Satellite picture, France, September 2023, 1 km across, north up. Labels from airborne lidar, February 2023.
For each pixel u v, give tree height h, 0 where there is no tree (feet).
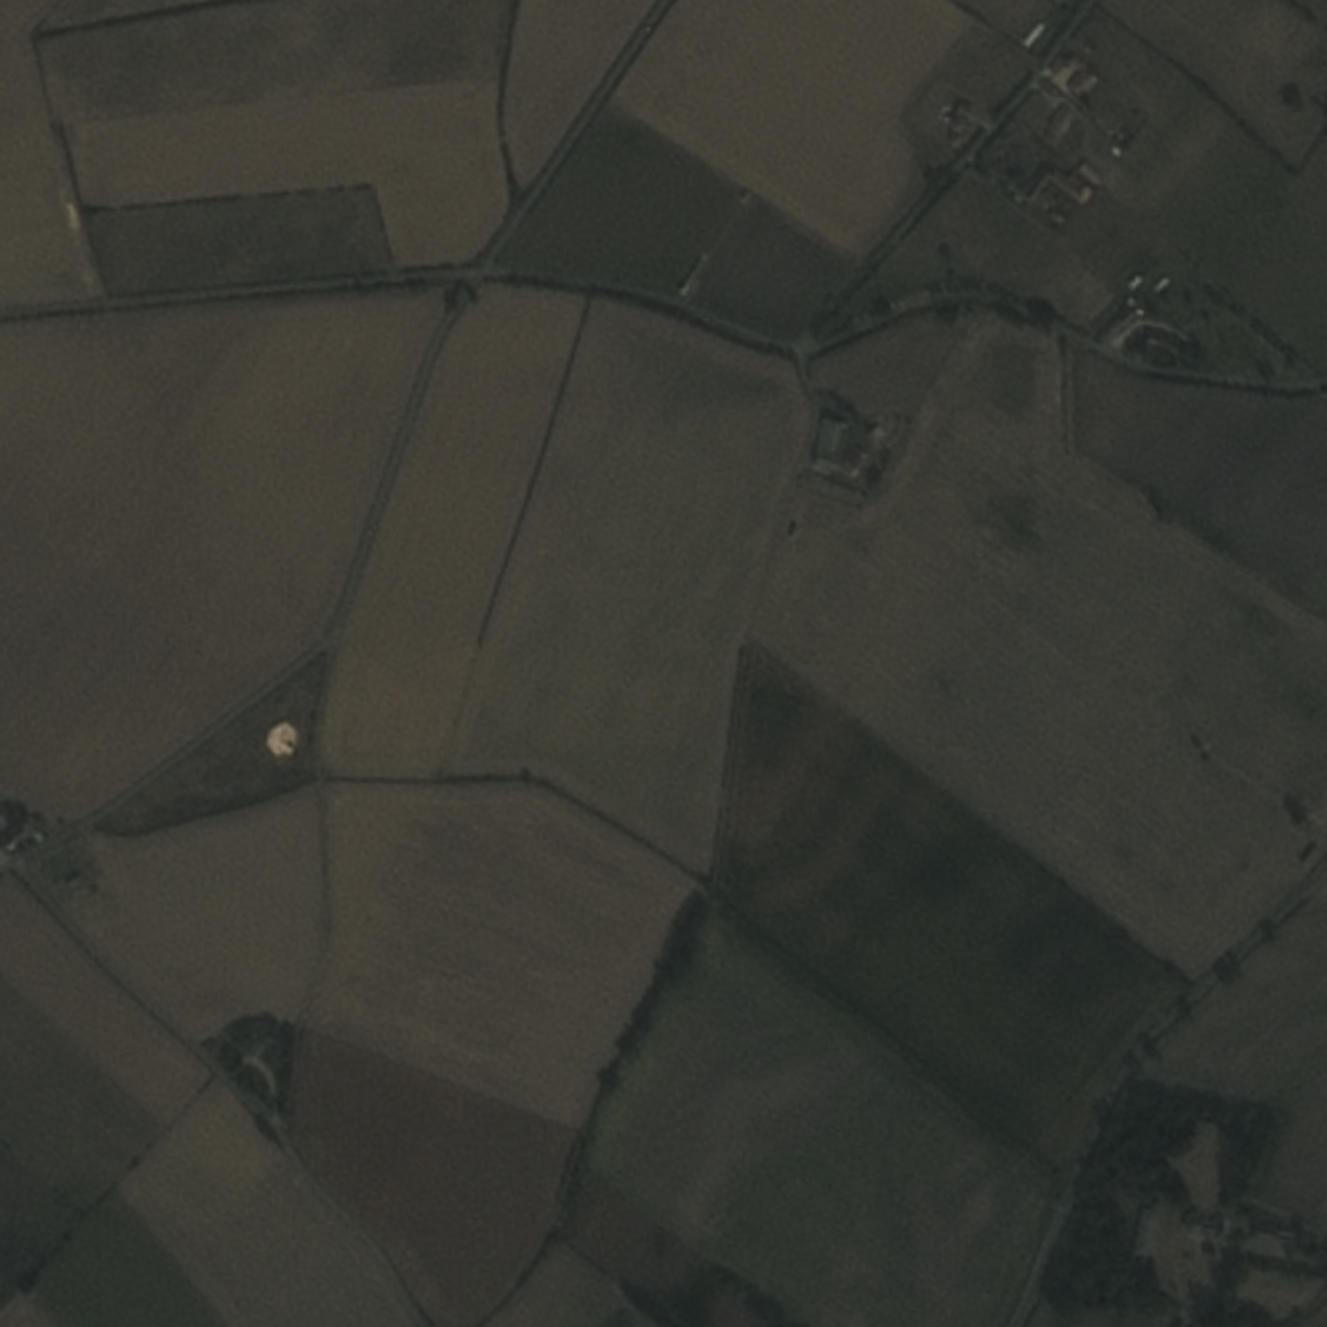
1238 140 0
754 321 0
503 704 0
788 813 0
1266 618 0
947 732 0
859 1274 0
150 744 0
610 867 0
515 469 0
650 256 0
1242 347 0
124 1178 0
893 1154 0
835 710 0
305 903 0
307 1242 0
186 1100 0
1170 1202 40
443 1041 0
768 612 0
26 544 0
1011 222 0
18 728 0
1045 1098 0
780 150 0
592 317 0
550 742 0
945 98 0
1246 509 0
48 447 0
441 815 0
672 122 0
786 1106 0
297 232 0
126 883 0
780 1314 49
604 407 0
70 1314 0
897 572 0
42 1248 0
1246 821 0
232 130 0
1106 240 0
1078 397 0
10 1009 0
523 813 0
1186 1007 37
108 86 0
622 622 0
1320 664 0
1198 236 0
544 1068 0
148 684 0
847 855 0
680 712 0
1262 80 0
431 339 0
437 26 0
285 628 0
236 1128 0
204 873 0
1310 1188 0
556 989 0
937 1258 0
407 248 0
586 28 0
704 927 0
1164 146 0
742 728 0
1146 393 0
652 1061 0
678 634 0
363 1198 0
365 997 0
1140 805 0
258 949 0
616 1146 0
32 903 0
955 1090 0
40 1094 0
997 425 0
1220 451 0
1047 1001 0
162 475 0
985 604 0
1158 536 0
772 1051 0
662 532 0
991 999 0
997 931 0
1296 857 0
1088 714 0
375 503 0
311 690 0
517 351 0
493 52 0
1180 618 0
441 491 0
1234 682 0
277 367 0
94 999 0
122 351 0
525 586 0
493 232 0
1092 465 0
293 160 0
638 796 0
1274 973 0
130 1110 0
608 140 0
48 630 0
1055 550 0
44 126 0
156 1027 0
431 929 0
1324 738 0
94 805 0
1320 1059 0
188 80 0
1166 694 0
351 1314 0
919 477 0
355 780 0
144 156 0
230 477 0
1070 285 0
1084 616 0
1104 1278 43
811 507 0
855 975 0
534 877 0
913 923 0
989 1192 0
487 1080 0
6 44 0
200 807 0
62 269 0
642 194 0
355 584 0
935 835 0
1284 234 0
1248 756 0
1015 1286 0
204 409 0
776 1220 0
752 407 0
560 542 0
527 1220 0
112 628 0
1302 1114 0
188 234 0
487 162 0
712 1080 0
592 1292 0
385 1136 0
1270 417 0
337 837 0
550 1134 0
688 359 0
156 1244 0
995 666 0
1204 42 0
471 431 0
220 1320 0
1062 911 0
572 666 0
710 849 0
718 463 0
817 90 0
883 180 0
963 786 0
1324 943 0
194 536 0
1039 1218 0
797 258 0
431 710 0
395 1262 0
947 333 0
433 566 0
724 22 0
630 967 0
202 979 0
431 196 0
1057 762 0
